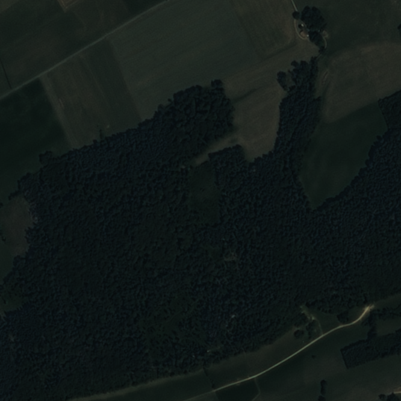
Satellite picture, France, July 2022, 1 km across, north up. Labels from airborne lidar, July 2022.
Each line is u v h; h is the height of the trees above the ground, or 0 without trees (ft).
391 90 0
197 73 0
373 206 84
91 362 90
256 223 75
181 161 70
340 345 0
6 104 0
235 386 0
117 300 89
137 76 0
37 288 100
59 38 0
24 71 0
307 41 0
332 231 84
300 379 0
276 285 74
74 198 85
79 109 0
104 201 84
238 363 0
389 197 90
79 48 0
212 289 61
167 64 0
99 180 83
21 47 0
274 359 0
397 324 0
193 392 0
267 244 68
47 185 25
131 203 69
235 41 0
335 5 0
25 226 0
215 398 0
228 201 42
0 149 0
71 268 92
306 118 87
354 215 94
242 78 0
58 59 0
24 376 81
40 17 0
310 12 79
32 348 80
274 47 0
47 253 96
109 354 84
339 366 0
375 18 0
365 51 0
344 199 77
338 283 72
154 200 90
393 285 85
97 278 79
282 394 0
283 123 45
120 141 88
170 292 74
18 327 87
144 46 0
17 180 0
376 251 70
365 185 72
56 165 38
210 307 76
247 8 0
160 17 0
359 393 0
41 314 41
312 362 0
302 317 70
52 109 0
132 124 0
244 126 0
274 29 0
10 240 0
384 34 0
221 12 0
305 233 71
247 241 76
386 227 77
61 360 89
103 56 0
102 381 81
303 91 36
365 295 78
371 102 0
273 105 0
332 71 0
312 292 73
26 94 0
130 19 0
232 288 82
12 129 0
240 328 39
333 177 0
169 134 79
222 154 64
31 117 0
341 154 0
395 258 74
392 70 0
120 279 62
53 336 89
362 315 0
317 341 0
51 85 0
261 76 0
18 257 0
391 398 68
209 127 93
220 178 62
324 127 0
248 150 0
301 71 91
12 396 84
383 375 0
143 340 57
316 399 0
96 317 80
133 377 79
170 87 0
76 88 0
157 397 0
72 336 94
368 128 0
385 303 0
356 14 0
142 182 47
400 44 0
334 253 54
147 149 87
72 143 0
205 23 0
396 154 86
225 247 49
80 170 72
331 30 0
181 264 70
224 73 0
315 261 71
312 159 0
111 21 0
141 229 90
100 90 0
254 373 0
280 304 69
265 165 56
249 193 23
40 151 0
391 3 0
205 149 59
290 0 0
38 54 0
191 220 61
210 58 0
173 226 91
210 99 71
